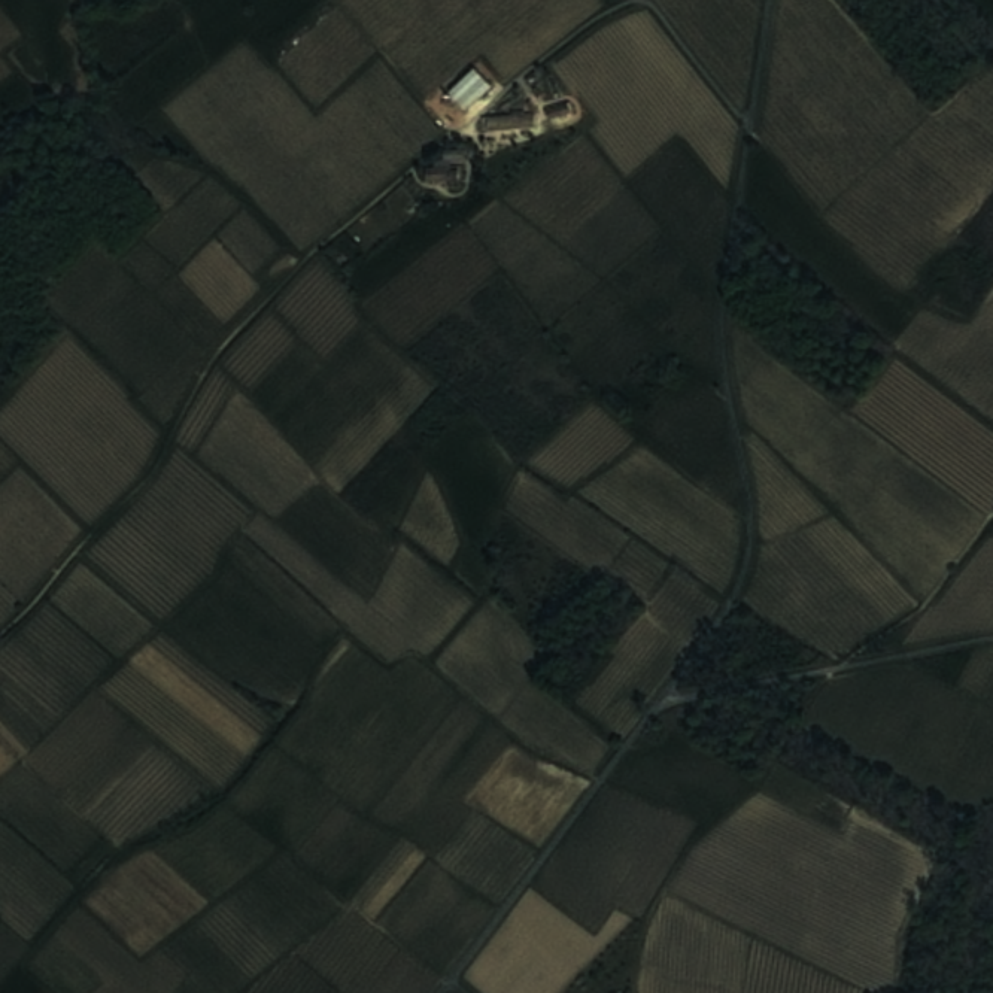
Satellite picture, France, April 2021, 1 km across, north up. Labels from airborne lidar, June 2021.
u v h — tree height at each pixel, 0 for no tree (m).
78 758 0
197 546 0
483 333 0
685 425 0
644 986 0
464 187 8
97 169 26
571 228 0
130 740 0
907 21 14
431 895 0
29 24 0
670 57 0
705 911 0
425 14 0
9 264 23
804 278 8
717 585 0
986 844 12
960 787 0
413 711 0
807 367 14
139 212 17
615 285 0
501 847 0
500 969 0
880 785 20
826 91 0
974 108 0
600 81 0
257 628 0
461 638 0
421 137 0
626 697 0
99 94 16
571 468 0
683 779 0
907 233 0
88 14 14
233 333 0
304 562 0
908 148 0
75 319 0
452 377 8
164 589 0
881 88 0
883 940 0
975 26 19
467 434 0
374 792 0
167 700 0
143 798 0
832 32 0
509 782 0
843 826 0
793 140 0
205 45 0
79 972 0
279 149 0
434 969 0
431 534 0
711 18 0
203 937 0
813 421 0
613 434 0
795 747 7
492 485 0
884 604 0
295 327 0
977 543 0
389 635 0
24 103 0
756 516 0
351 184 0
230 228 0
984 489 0
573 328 0
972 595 0
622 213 0
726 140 0
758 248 22
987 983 16
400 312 0
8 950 0
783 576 0
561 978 0
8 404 0
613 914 0
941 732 0
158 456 0
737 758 13
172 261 0
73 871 0
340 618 0
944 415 0
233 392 0
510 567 15
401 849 0
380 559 0
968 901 23
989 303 0
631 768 0
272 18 0
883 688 0
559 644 19
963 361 0
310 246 0
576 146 0
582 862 0
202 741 0
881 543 0
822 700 0
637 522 0
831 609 0
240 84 0
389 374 0
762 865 0
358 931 0
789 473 0
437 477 0
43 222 23
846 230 0
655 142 0
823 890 0
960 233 0
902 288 0
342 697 0
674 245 0
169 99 0
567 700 12
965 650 0
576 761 0
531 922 0
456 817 0
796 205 0
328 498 0
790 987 0
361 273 0
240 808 0
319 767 0
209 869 0
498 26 0
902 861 0
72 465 0
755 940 0
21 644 0
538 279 0
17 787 0
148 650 0
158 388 0
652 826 0
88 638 0
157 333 0
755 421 0
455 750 0
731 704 20
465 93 0
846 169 0
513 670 0
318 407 0
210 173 0
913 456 0
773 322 16
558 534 0
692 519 0
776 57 0
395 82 0
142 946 0
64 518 0
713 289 0
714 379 0
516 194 0
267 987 0
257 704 8
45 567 0
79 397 0
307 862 0
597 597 19
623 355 0
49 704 0
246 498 0
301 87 0
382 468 0
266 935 0
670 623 0
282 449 0
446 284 0
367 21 0
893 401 0
